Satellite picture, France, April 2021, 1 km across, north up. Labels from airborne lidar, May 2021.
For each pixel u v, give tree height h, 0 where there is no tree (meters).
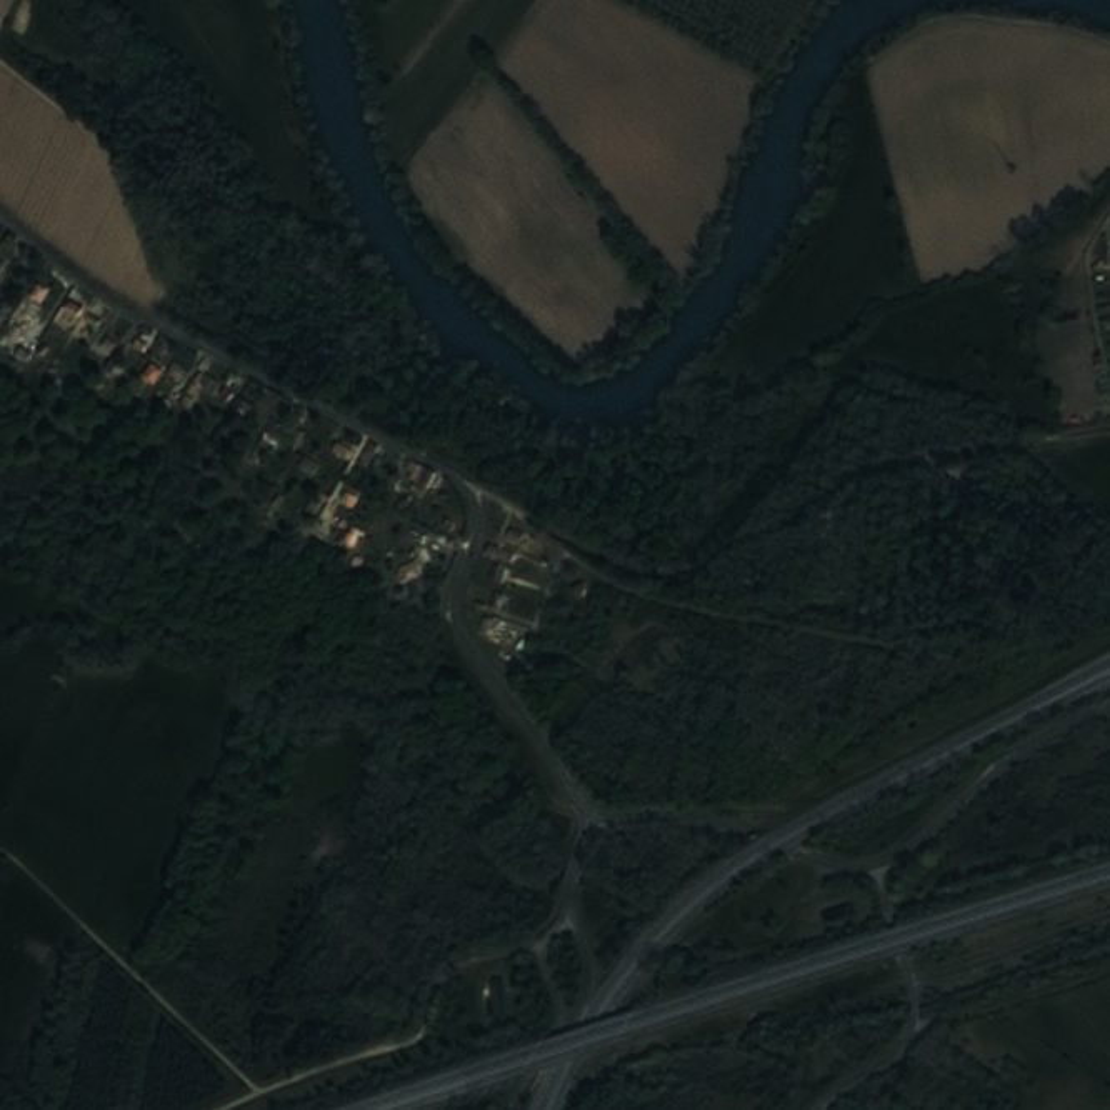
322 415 8
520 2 0
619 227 14
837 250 0
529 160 0
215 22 0
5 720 0
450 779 10
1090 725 12
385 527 0
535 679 15
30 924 0
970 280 8
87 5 11
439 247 28
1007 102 0
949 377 0
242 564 25
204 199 22
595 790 17
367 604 22
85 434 23
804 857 0
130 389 15
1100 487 0
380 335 27
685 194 0
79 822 0
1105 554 21
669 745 22
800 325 0
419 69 0
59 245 0
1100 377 9
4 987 0
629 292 0
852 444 19
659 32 0
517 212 0
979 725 0
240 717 12
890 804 21
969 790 0
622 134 0
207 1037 0
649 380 0
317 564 18
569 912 0
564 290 0
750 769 27
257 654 20
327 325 20
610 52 0
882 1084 8
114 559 23
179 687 0
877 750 13
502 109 0
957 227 0
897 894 16
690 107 0
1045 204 0
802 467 17
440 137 0
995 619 27
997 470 15
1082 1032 0
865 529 19
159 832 0
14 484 14
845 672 9
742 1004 0
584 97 0
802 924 0
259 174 12
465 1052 8
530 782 11
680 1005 0
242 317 10
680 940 0
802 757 16
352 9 9
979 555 27
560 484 32
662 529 27
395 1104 0
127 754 0
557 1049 0
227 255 15
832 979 0
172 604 26
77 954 19
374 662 22
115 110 16
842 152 17
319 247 22
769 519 22
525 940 13
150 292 0
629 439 29
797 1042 18
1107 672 0
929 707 15
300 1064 16
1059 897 0
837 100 13
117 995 10
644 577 20
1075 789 9
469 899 10
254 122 0
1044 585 25
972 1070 13
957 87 0
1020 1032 0
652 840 27
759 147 8
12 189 0
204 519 21
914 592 14
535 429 22
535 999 8
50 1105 16
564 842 21
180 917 24
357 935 11
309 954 7
